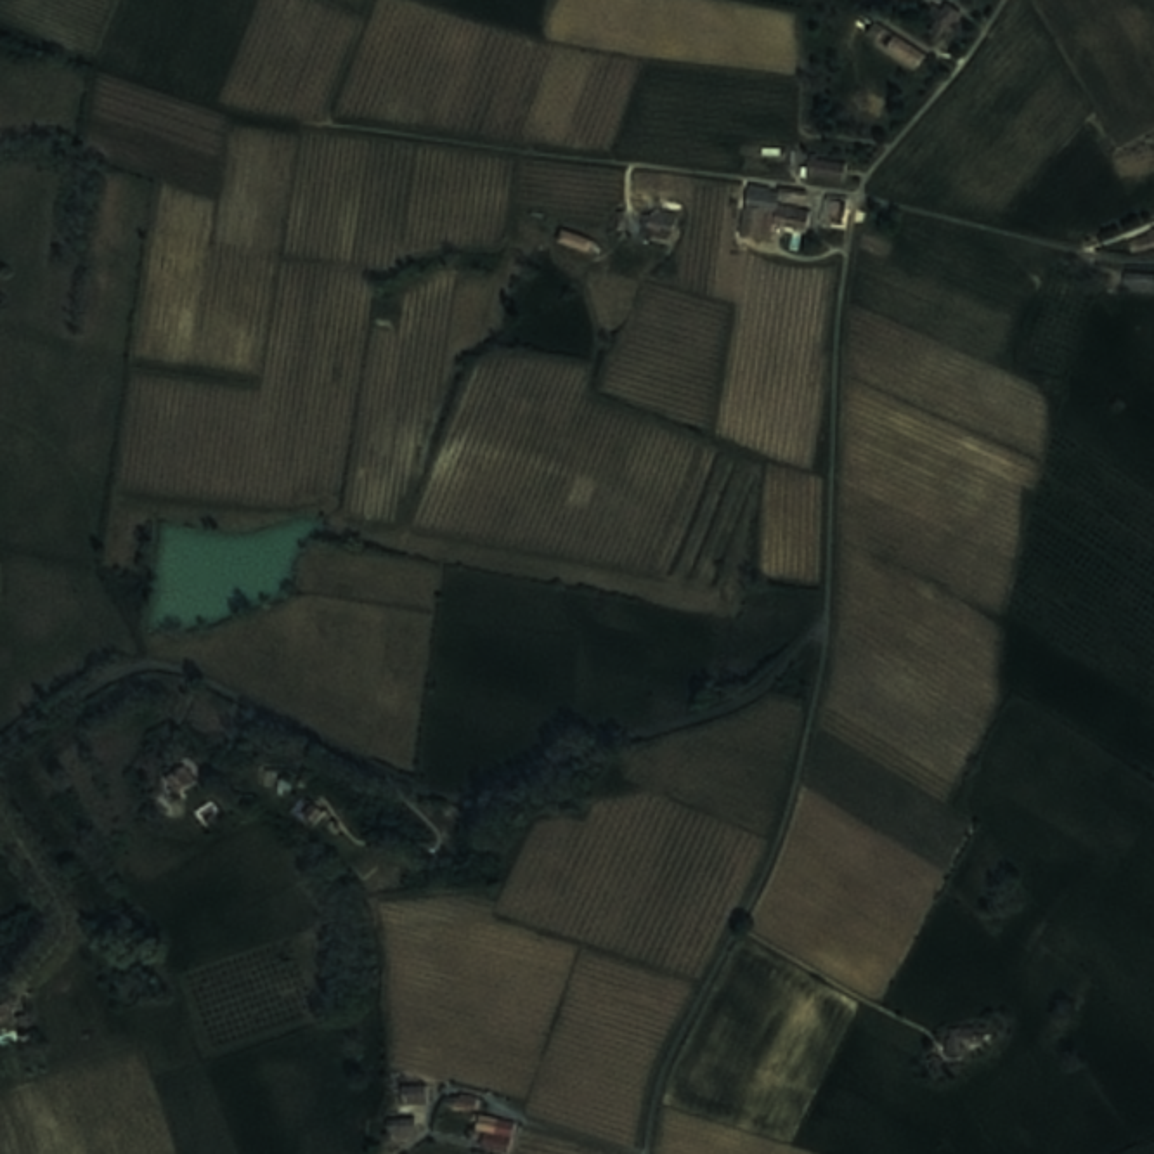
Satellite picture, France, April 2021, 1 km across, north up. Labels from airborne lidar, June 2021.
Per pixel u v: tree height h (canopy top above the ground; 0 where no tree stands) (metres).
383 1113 0
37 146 18
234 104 0
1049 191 0
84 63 10
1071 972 0
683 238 0
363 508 0
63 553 0
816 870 0
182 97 0
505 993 0
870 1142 0
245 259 0
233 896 0
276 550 0
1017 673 0
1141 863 0
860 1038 0
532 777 13
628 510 0
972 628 0
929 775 0
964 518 0
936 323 0
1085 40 0
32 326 0
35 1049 13
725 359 0
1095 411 0
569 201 0
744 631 0
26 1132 0
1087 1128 0
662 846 0
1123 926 0
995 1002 0
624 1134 0
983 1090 0
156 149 0
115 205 0
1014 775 0
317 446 0
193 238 0
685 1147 0
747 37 0
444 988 0
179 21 0
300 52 0
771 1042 0
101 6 0
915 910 0
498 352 10
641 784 0
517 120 0
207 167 0
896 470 0
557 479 0
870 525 0
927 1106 0
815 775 0
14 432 0
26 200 0
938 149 0
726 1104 0
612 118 0
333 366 0
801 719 0
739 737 0
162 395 0
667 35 0
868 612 0
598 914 0
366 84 0
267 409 0
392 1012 0
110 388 0
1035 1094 0
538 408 0
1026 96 0
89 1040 0
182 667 0
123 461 0
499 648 0
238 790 13
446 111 0
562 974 0
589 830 0
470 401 0
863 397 0
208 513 0
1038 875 0
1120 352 0
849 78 0
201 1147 0
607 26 0
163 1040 0
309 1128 0
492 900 0
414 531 0
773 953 0
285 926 0
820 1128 0
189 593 0
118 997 10
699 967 0
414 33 0
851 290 0
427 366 0
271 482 0
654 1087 0
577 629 0
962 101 0
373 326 0
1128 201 0
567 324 0
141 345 0
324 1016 23
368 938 15
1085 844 0
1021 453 0
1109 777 0
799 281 0
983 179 0
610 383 0
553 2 0
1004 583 0
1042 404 0
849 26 0
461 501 0
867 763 0
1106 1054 0
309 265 0
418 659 0
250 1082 0
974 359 0
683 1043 6
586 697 0
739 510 0
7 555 0
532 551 0
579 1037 0
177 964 0
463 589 0
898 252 0
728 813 0
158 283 0
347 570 0
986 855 0
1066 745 0
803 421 0
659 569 0
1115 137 0
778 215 0
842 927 0
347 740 0
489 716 0
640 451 0
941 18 0
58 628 0
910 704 0
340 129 0
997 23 0
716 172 0
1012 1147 0
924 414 0
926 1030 0
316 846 20
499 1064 0
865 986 0
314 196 0
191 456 0
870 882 0
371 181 0
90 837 19
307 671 0
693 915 0
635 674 0
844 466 0
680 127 0
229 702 6
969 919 0
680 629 0
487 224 0
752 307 0
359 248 0
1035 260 0
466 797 11
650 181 0
